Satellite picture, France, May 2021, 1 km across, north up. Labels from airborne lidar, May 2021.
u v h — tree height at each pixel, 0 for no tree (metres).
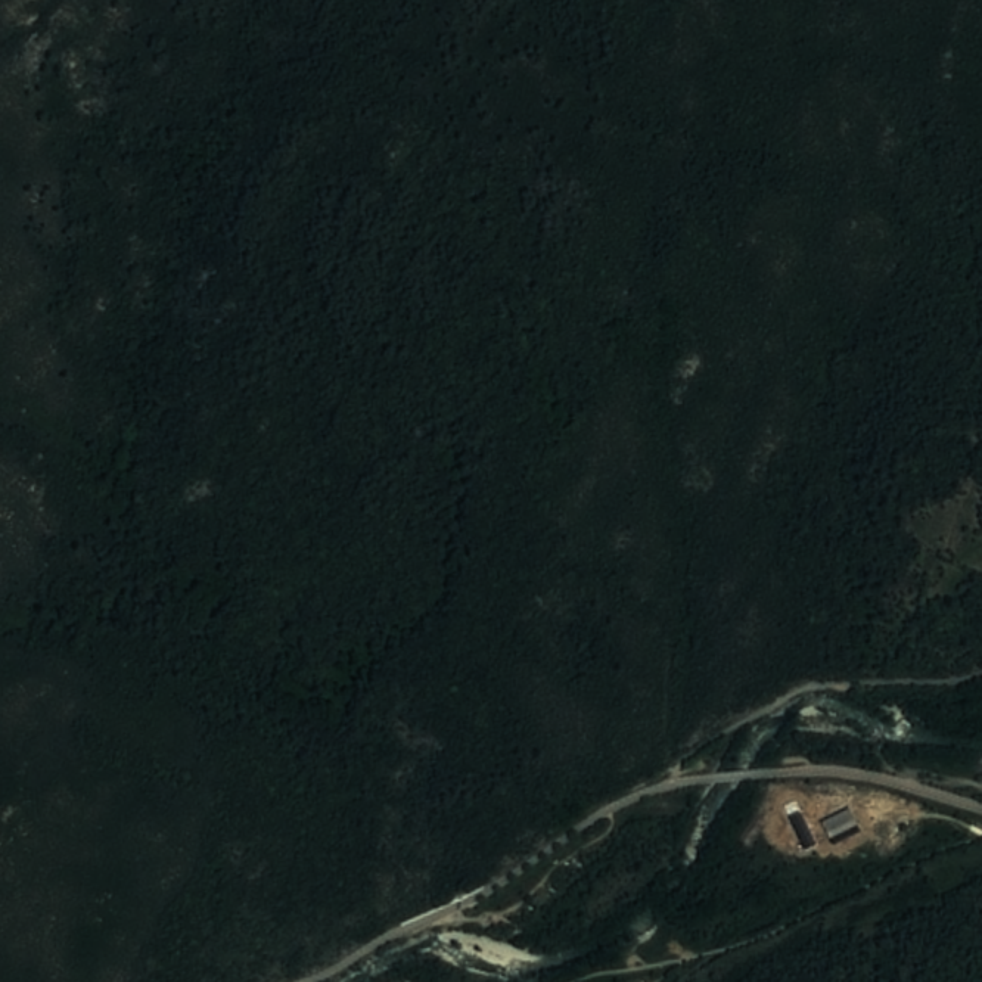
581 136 7
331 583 13
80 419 7
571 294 7
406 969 6
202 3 16
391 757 12
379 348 8
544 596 6
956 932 14
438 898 11
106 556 16
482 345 16
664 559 6
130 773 7
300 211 10
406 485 8
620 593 10
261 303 16
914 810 0
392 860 6
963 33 5
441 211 16
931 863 6
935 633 12
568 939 6
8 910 0
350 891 9
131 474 14
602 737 6
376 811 9
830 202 6
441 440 38
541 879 0
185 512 11
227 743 6
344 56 8
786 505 17
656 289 7
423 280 24
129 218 6
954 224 7
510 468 12
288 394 10
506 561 12
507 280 16
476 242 15
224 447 10
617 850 8
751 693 8
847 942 10
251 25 20
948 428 15
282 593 15
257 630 14
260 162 8
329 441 13
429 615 18
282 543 16
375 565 12
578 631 14
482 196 18
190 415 7
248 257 17
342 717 20
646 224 6
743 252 6
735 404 7
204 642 22
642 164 6
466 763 9
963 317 11
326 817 12
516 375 12
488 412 15
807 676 11
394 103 9
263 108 8
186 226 17
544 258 13
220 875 17
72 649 11
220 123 13
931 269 11
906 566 8
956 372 11
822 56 6
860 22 6
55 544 13
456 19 19
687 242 6
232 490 12
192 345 10
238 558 13
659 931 0
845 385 8
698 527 7
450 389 14
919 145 8
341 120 6
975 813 0
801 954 11
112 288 8
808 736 6
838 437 8
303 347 20
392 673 14
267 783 7
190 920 9
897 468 19
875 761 8
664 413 7
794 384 7
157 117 7
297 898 12
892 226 10
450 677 14
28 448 6
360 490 18
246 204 19
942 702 13
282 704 23
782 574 7
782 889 8
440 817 19
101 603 16
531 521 9
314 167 13
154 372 13
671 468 6
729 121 12
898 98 7
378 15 9
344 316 25
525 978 6
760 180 10
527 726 7
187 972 6
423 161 22
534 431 13
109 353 11
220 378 10
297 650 21
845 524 14
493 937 11
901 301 7
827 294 7
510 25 15
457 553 20
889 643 9
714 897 9
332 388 18
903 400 17
